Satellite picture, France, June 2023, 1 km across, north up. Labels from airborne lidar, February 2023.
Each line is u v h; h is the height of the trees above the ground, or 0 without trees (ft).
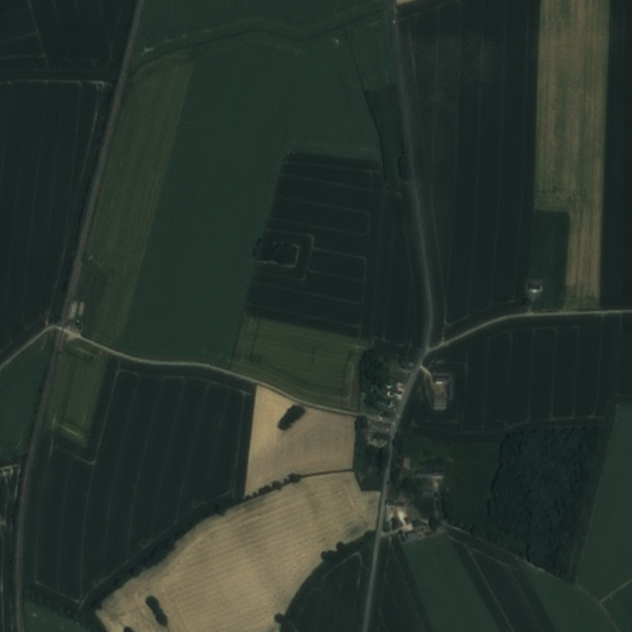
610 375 0
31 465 0
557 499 78
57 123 0
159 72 0
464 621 0
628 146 0
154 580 0
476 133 0
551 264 0
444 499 29
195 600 0
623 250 0
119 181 0
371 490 0
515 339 0
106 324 0
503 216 0
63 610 23
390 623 0
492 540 42
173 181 0
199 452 0
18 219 0
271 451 0
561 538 56
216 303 0
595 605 0
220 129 0
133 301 0
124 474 0
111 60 0
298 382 0
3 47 0
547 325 0
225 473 0
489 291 0
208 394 0
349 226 0
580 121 0
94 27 0
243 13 0
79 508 0
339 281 0
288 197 0
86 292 0
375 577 0
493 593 0
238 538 0
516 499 65
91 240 0
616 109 0
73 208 0
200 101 0
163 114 0
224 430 0
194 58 0
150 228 0
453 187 0
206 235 0
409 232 0
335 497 0
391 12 0
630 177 0
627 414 0
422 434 0
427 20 0
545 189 0
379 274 0
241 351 0
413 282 0
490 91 0
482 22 0
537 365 0
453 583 0
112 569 0
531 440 63
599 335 0
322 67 0
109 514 0
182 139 0
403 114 0
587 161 0
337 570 0
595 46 0
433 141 0
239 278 0
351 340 0
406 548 0
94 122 0
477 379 0
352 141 0
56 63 0
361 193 0
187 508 0
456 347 0
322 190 0
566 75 0
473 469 0
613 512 0
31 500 0
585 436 50
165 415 0
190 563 0
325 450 0
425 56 0
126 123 0
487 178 0
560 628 0
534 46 0
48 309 0
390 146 0
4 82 0
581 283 0
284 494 0
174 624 0
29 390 0
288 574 0
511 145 0
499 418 0
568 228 0
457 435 0
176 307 0
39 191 0
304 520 0
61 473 0
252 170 0
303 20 0
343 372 0
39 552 0
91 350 0
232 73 0
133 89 0
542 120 0
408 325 0
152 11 0
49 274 0
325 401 0
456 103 0
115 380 0
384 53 0
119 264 0
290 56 0
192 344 0
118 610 0
